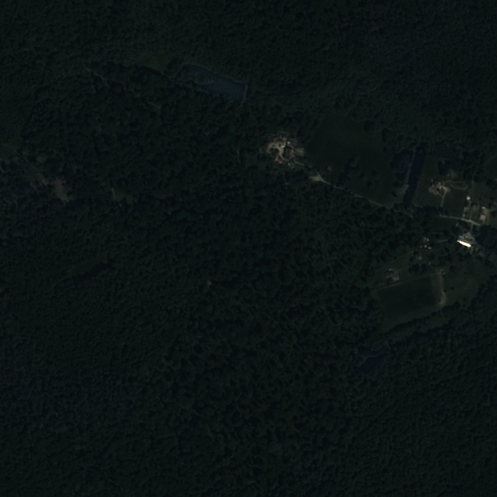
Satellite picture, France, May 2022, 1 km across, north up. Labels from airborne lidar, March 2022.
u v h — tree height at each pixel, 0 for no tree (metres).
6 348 26
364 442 25
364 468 27
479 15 19
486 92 21
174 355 25
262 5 25
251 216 21
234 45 28
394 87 25
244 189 24
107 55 23
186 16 18
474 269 0
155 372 25
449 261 13
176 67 16
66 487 22
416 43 24
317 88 28
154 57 0
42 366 29
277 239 27
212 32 27
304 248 25
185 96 25
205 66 15
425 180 0
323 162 0
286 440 31
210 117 26
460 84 31
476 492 25
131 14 20
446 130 21
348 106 22
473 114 32
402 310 0
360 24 24
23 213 28
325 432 29
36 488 23
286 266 27
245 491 32
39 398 25
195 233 30
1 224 22
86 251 26
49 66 22
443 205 0
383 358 26
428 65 23
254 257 32
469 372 26
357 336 24
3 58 26
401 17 25
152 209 32
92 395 27
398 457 28
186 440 31
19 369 26
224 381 29
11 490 25
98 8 27
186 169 29
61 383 26
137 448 29
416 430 28
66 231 27
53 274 24
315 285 24
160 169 30
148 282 24
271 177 12
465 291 0
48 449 26
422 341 29
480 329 30
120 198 0
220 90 0
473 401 28
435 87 23
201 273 27
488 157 19
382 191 0
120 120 28
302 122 31
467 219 0
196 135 26
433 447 30
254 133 12
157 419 32
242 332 31
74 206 24
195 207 30
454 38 19
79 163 22
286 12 26
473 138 24
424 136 19
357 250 31
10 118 18
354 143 0
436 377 28
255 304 23
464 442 30
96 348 20
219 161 27
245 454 8
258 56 27
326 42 28
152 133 30
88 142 32
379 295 0
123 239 27
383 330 0
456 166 19
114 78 30
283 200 31
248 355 32
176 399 31
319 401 27
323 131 0
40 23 27
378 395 26
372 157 0
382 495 22
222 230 33
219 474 31
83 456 20
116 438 27
